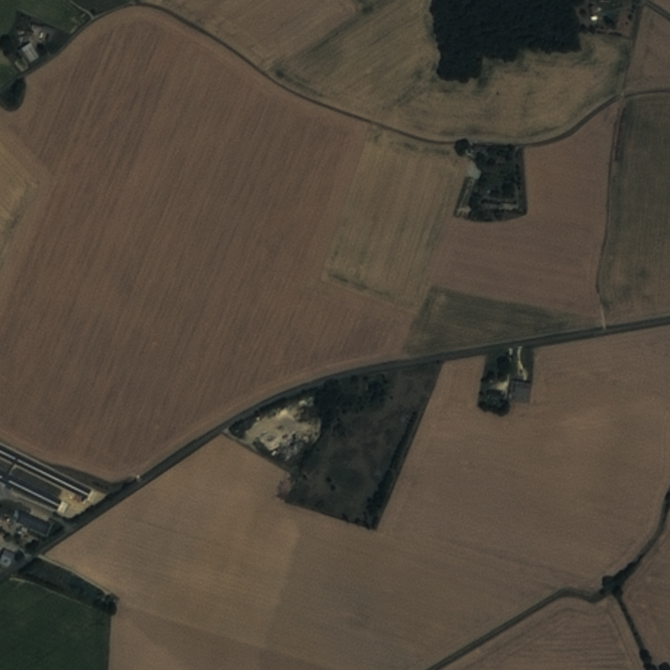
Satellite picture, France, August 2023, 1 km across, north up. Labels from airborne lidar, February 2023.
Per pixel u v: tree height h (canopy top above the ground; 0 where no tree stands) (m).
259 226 0
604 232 0
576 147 0
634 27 0
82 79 0
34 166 0
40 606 0
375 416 0
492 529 0
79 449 0
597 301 0
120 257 0
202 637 0
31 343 0
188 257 0
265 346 0
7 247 0
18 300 0
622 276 0
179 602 0
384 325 0
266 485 0
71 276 0
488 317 0
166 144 0
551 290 0
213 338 0
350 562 0
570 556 0
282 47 0
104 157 0
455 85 0
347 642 0
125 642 0
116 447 0
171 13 0
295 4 0
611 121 0
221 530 0
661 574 0
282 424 0
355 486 0
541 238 0
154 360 0
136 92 0
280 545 0
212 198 0
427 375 0
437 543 0
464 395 0
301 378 0
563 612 0
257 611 0
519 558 0
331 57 0
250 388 0
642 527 0
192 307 0
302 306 0
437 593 0
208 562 0
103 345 0
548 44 22
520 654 0
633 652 0
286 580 0
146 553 0
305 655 0
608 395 0
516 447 0
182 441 0
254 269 0
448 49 18
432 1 0
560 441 0
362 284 0
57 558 0
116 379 0
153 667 0
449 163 0
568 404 0
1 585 0
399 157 0
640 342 0
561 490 0
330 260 0
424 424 0
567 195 0
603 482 0
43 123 0
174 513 0
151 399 0
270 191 0
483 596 0
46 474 0
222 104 0
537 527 0
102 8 0
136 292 0
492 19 23
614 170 0
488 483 0
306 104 0
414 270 0
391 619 0
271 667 0
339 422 8
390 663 0
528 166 0
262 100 0
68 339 0
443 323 0
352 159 0
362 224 0
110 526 0
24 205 0
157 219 0
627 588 0
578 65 0
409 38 0
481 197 9
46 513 0
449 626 0
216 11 0
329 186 0
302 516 0
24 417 0
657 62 0
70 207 0
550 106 0
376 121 0
